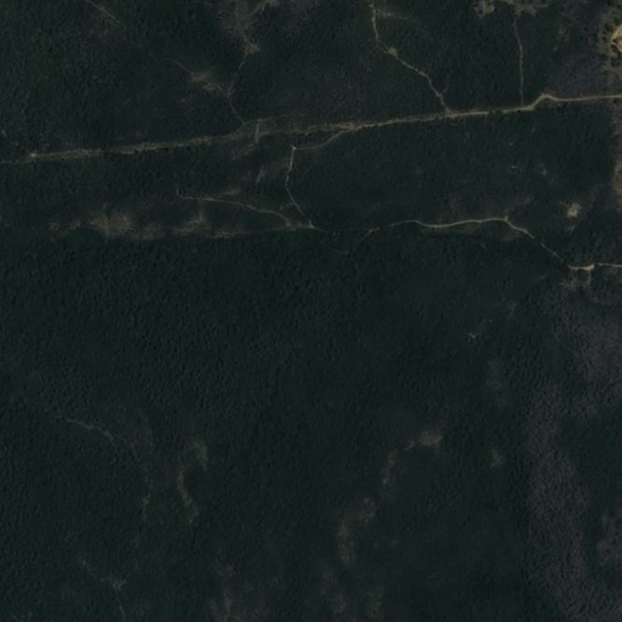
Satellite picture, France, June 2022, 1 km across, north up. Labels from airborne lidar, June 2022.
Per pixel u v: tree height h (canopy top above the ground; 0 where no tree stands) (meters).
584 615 12
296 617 7
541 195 8
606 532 16
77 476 13
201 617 10
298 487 8
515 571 8
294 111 0
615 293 12
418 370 10
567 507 6
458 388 6
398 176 7
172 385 10
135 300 15
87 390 9
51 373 7
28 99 9
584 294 21
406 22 6
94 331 7
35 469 13
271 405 10
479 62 8
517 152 6
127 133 7
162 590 6
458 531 5
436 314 6
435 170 6
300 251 7
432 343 5
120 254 14
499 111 10
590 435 10
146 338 15
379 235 12
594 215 8
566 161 6
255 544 6
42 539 7
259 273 9
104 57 8
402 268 7
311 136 9
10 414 14
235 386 7
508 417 7
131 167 8
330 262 13
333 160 6
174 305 13
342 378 6
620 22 10
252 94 9
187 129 7
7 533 11
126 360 9
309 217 10
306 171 7
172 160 7
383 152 12
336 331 7
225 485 8
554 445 12
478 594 7
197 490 12
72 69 12
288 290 10
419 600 9
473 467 7
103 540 8
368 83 5
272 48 10
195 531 7
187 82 7
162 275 13
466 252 7
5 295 7
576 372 10
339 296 8
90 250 15
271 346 9
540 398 10
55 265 12
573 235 8
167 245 9
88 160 10
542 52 6
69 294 9
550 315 11
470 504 7
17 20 7
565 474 10
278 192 8
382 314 7
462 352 7
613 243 17
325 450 7
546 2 10
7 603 6
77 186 9
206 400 13
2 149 8
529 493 6
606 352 8
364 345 8
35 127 11
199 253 7
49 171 6
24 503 13
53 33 10
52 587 6
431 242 6
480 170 8
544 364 13
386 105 7
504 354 7
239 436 10
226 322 12
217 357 9
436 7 6
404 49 7
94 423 7
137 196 7
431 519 8
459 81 8
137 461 8
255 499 8
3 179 14
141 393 6
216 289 12
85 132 8
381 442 6
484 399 5
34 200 7
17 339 7
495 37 11
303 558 6
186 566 12
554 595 14
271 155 8
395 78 6
